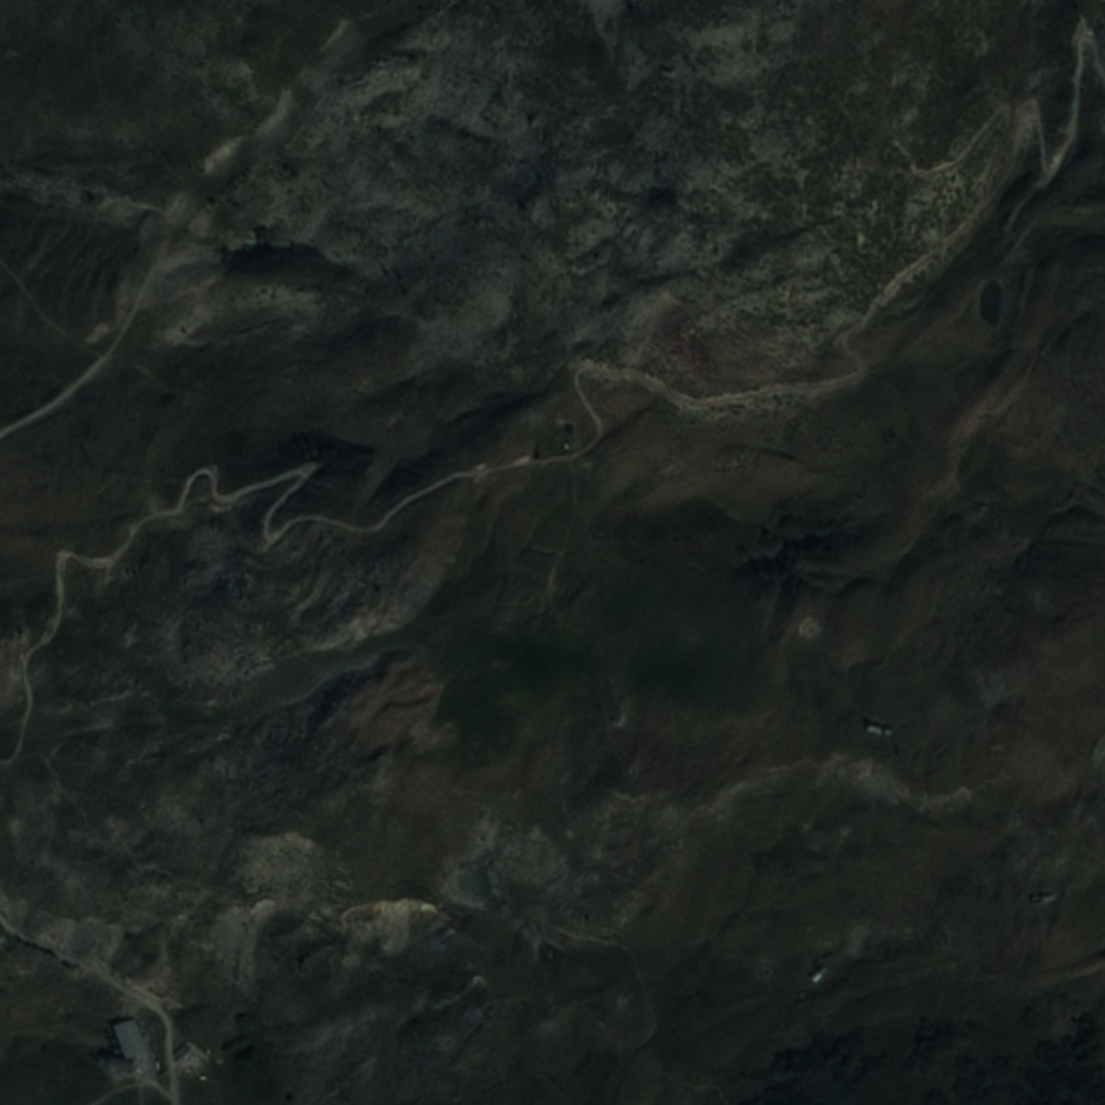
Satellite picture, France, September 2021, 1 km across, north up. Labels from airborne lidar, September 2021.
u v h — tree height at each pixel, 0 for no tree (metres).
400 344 0
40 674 0
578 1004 0
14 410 0
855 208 0
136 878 0
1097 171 0
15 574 0
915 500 0
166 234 0
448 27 0
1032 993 0
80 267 0
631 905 0
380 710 0
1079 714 0
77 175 0
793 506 0
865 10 0
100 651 0
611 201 0
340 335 0
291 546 0
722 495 0
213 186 0
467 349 0
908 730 0
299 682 0
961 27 0
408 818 0
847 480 0
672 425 0
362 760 0
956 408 0
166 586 0
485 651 0
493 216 0
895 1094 0
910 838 0
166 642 0
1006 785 0
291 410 0
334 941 0
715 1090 0
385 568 0
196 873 0
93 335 0
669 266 0
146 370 0
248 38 0
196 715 0
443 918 0
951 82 0
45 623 0
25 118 0
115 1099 0
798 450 0
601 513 0
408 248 0
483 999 0
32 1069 0
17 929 0
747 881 0
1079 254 0
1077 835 0
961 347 0
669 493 0
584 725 0
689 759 0
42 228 0
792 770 0
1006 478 0
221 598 0
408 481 0
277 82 0
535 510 0
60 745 0
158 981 0
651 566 0
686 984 0
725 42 0
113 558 0
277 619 0
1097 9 0
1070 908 0
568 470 0
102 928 0
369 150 0
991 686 0
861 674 0
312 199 0
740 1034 0
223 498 0
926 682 0
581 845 0
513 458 0
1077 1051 8
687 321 0
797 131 0
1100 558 0
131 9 0
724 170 0
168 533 0
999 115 0
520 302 0
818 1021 0
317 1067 0
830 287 0
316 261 0
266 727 0
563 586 0
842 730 0
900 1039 0
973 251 0
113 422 0
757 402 0
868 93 0
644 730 0
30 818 0
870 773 0
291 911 0
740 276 0
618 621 0
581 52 0
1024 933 0
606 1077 0
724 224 0
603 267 0
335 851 0
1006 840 0
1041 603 0
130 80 0
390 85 0
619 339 0
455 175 0
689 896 0
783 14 0
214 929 0
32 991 0
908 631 0
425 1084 0
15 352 0
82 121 0
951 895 0
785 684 0
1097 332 0
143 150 0
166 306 0
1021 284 0
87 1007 0
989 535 0
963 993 0
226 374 0
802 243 0
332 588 0
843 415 0
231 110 0
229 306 0
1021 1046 0
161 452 0
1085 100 0
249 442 0
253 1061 9
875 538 0
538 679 0
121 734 0
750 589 0
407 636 0
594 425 0
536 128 0
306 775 0
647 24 0
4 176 0
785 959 0
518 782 0
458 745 0
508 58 0
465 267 0
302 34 0
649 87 0
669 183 0
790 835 0
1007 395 0
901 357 0
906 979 0
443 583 0
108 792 0
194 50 0
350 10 0
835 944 0
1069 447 0
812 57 0
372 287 0
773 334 0
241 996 0
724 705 0
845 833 0
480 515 0
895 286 0
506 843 0
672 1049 0
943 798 0
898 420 0
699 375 0
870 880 0
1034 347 0
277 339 0
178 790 0
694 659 0
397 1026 0
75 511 0
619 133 0
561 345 0
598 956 0
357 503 0
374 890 0
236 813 0
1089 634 0
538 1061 0
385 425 0
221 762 0
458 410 0
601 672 0
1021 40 0
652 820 0
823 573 0
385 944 0
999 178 0
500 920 0
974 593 0
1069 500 0
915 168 0
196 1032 0
